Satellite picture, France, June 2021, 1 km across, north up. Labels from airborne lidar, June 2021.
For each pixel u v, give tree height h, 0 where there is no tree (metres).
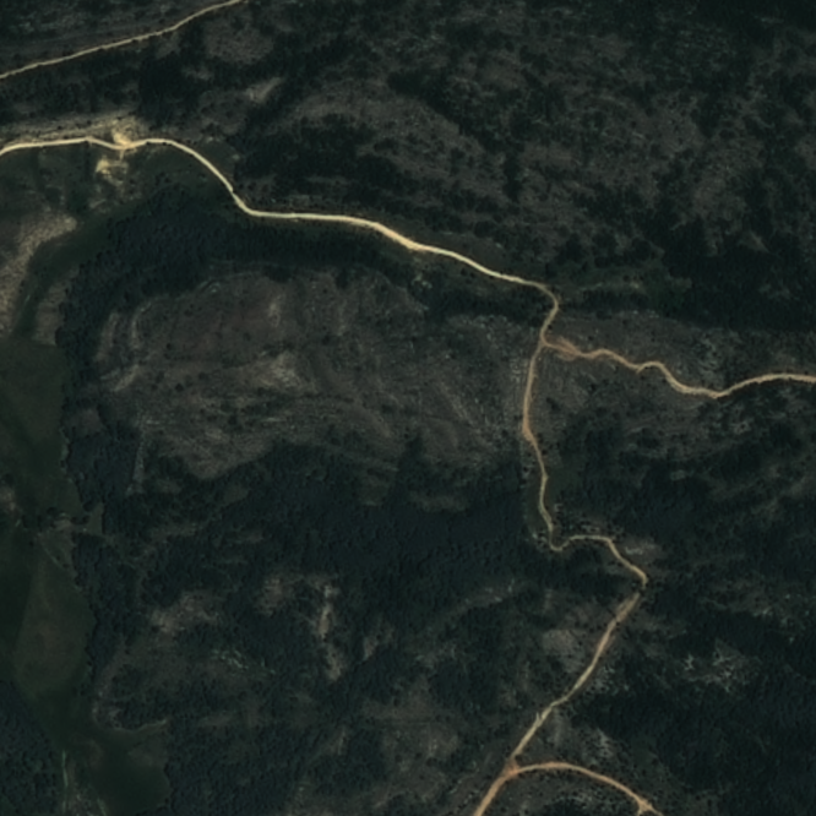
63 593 0
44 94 8
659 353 0
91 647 10
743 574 6
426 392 0
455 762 7
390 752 0
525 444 0
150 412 0
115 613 8
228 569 8
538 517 0
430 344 0
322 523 9
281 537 11
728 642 9
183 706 7
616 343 0
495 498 10
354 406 0
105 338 0
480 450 0
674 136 0
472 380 0
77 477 7
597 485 7
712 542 6
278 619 9
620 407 0
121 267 13
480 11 0
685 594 10
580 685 0
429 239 0
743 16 9
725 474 8
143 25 0
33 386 0
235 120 0
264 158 6
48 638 0
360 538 8
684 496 13
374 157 7
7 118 8
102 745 0
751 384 6
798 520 9
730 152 0
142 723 6
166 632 0
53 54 0
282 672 6
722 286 7
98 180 0
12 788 8
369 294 0
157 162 0
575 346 0
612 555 0
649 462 8
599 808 7
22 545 0
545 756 0
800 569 10
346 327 0
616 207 6
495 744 0
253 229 7
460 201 6
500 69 0
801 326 7
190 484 7
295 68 7
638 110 0
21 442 0
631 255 7
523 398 0
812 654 11
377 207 6
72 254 0
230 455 0
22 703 14
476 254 0
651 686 8
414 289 12
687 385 0
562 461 0
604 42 0
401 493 9
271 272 7
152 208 6
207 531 9
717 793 7
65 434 7
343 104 0
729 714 8
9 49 0
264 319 0
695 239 8
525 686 0
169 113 9
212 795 6
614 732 8
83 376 10
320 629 0
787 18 6
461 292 6
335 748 0
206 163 0
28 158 0
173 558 8
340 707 8
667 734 9
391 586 11
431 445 0
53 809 9
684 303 8
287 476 9
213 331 0
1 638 0
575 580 11
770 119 5
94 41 0
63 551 0
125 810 0
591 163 0
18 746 15
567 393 0
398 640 6
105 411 8
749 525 7
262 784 10
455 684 10
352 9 7
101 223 0
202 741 6
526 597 9
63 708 0
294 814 0
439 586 7
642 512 12
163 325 0
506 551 9
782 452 6
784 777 8
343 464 9
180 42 7
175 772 12
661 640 5
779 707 13
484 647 8
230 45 0
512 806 0
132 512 9
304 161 7
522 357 0
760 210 6
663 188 5
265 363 0
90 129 0
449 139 0
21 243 0
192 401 0
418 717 0
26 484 0
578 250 8
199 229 11
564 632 0
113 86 9
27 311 0
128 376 0
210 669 0
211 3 0
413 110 0
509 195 7
